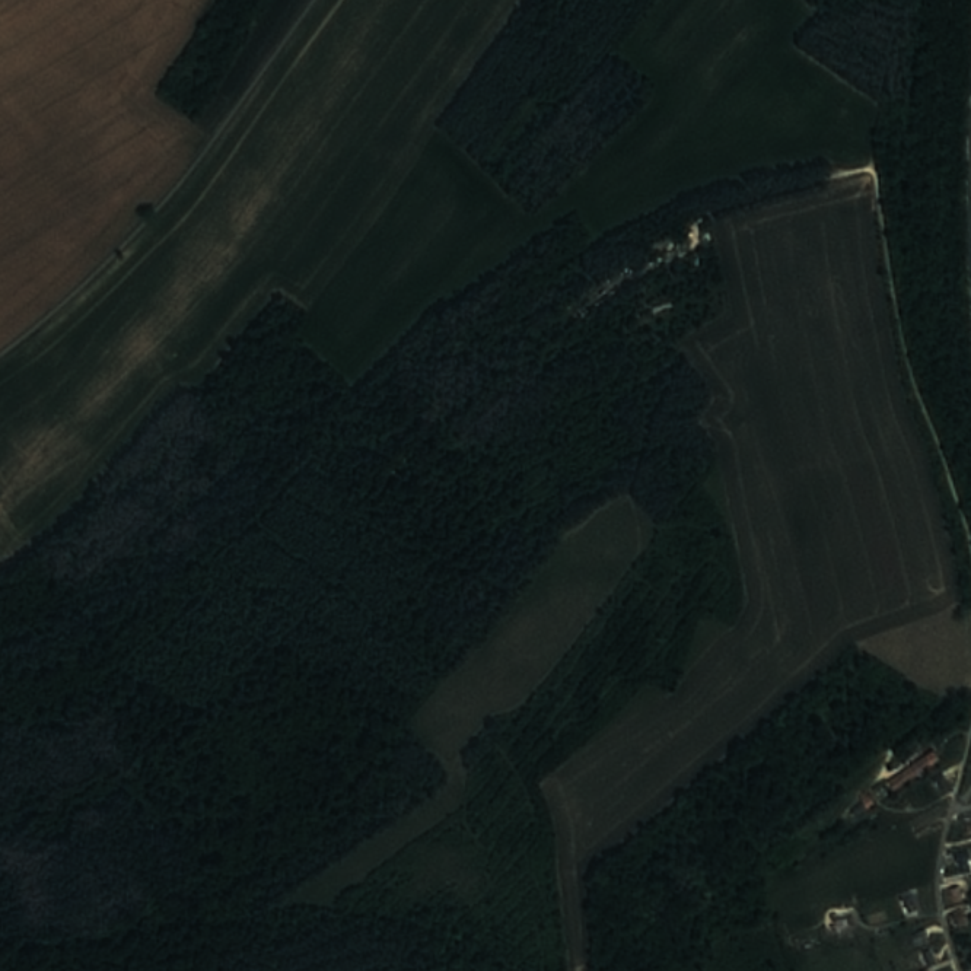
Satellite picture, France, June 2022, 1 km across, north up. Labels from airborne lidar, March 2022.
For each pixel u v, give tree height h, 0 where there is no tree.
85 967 18
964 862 0
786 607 0
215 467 19
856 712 8
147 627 11
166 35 0
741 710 0
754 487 0
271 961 13
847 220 0
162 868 17
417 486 21
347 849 19
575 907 0
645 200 0
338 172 0
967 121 15
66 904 25
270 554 16
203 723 21
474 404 19
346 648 18
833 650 0
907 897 0
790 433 0
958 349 13
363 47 0
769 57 0
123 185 0
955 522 15
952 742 0
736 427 0
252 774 8
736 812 16
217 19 10
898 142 9
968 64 18
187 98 9
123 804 20
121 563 19
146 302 0
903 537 0
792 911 0
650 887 22
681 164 0
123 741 15
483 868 0
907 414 0
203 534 20
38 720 6
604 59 20
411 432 20
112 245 0
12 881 16
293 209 0
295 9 0
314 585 16
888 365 0
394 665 8
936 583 0
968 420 8
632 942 12
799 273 0
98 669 9
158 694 22
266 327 11
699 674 0
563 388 14
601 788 0
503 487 9
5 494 0
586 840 0
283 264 0
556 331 13
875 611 0
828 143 0
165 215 0
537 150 19
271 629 19
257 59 0
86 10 0
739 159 0
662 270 6
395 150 0
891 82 21
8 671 14
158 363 0
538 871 0
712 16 0
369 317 0
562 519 15
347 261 0
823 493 0
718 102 0
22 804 16
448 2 0
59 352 0
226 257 0
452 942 10
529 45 14
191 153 0
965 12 16
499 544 15
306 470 12
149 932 19
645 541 0
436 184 0
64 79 0
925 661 0
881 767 0
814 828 0
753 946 0
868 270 0
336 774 25
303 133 0
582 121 22
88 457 0
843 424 0
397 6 0
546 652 0
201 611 15
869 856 0
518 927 0
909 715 19
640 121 0
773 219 0
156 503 22
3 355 0
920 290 8
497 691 0
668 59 0
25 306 0
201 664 15
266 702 19
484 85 15
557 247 16
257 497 15
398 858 0
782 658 0
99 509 18
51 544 18
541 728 10
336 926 15
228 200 0
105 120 0
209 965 19
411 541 13
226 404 18
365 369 0
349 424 14
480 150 12
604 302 12
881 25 25
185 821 8
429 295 0
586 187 0
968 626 0
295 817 9
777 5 0
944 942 0
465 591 13
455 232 0
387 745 18
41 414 0
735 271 0
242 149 0
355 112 0
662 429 19
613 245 14
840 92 0
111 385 0
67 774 19
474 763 11
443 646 7
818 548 0
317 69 0
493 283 11
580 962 0
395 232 0
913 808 0
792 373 0
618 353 16
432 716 0
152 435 20
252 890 8
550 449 7
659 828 12
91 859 20
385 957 15
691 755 0
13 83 0
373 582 15
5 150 0
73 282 0
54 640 13
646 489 17
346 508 15
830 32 18
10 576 17
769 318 0
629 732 0
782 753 16
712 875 15
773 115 0
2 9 0
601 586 0
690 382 18
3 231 0
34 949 22
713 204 17
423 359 18
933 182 15
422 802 17
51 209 0
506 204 0
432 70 0
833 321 0
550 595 0
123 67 0
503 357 18
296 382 10
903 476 0
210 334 0
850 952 0
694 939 15
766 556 0
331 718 12
